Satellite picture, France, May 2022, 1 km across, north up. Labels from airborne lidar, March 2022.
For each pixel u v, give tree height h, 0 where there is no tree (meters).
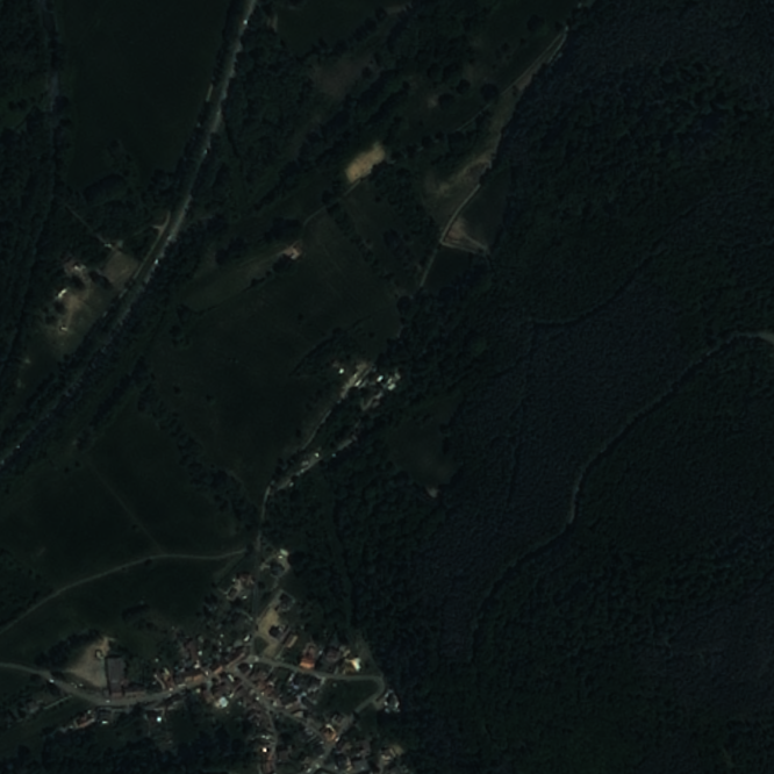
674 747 17
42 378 0
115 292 0
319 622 0
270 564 0
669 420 8
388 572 23
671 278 10
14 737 0
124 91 0
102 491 0
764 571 13
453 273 0
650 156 20
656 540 11
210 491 18
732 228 12
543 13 0
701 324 8
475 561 19
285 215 0
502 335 16
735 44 23
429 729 35
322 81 0
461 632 21
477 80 0
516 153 22
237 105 19
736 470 15
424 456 0
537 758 19
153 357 0
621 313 22
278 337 0
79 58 0
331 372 0
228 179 18
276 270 8
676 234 14
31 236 20
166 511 0
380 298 0
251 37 20
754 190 15
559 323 6
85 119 0
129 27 0
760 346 11
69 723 0
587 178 20
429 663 29
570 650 18
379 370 7
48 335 0
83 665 0
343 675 0
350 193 0
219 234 16
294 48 0
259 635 0
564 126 26
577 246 13
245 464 0
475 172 0
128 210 19
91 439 11
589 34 20
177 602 0
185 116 0
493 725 20
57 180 14
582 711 18
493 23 0
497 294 14
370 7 0
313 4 0
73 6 0
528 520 18
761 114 14
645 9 19
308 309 0
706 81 27
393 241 15
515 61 0
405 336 7
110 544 0
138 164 0
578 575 15
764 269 10
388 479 6
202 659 0
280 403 0
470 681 21
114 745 0
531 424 16
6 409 13
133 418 0
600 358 17
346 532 15
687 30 21
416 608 22
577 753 23
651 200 8
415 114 0
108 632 0
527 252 9
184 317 15
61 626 0
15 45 30
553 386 18
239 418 0
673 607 13
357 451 16
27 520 0
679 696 18
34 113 0
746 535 21
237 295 0
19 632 0
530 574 11
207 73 0
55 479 0
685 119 26
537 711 21
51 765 20
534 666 19
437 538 21
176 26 0
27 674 0
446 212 0
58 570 0
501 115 0
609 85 26
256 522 17
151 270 0
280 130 18
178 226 0
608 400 19
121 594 0
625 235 10
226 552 0
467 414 17
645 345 20
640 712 18
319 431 6
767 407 15
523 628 17
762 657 15
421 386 16
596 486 11
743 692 21
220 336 0
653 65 14
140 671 0
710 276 7
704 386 10
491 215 0
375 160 0
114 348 24
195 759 23
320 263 0
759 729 12
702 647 16
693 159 34
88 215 21
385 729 17
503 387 18
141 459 0
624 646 19
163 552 0
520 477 20
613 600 24
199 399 0
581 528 11
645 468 7
